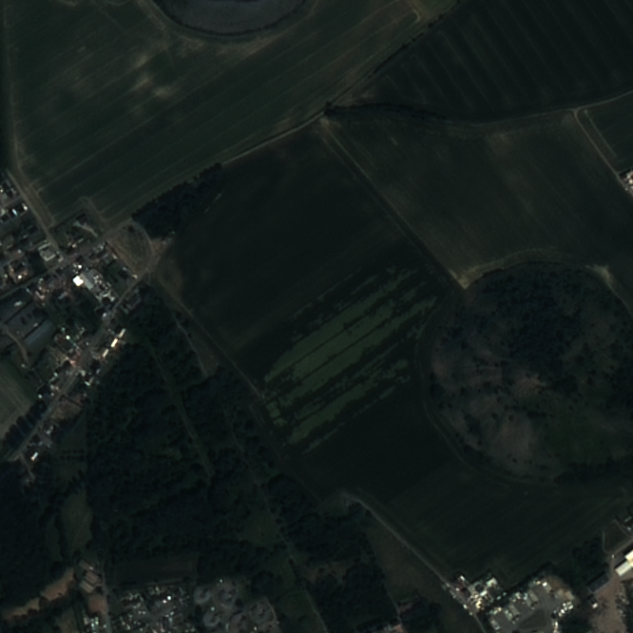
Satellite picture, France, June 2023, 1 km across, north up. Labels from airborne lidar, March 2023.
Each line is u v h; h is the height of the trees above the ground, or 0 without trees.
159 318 7
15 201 0
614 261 0
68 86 0
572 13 0
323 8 0
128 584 6
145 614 0
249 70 0
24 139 0
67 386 0
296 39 0
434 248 0
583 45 0
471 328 0
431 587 0
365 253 0
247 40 0
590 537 0
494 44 0
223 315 0
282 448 0
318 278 0
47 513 13
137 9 0
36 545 8
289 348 0
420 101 0
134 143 0
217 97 0
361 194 0
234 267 0
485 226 0
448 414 0
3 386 0
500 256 0
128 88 0
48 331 0
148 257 0
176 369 9
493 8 0
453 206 0
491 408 0
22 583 24
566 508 0
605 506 0
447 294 0
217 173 12
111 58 0
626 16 0
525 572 0
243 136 0
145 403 26
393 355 0
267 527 0
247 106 0
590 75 0
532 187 0
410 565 0
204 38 0
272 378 0
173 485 17
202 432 18
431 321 0
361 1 0
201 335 0
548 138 0
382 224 0
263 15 0
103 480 32
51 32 0
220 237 0
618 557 0
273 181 0
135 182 0
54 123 0
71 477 0
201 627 14
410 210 0
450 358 0
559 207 0
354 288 0
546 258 0
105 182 0
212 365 0
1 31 0
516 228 0
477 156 0
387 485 0
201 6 0
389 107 10
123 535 18
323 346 0
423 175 0
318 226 0
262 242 0
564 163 0
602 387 0
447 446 0
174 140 0
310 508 10
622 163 0
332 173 0
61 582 0
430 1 0
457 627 0
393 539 0
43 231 0
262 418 0
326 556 12
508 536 0
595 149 0
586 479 12
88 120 0
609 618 0
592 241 0
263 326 0
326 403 0
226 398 17
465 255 0
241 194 0
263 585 14
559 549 0
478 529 0
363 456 0
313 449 0
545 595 0
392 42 0
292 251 0
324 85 0
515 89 0
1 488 23
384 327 0
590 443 0
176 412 12
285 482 16
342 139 0
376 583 10
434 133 0
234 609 0
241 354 0
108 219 0
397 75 0
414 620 13
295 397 0
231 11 0
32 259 14
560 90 0
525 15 0
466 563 0
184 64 0
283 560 0
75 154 0
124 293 0
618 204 0
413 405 0
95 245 0
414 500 0
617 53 0
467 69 0
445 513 0
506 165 0
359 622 0
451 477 0
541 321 13
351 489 0
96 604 0
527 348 12
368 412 0
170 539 9
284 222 0
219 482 19
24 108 0
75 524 0
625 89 0
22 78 0
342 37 0
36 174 0
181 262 0
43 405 16
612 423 0
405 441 0
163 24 0
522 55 0
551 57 0
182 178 0
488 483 0
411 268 0
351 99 0
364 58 0
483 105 0
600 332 0
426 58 0
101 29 0
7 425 0
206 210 0
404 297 0
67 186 0
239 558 12
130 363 13
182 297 0
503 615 0
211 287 0
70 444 0
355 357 0
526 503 0
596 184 0
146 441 12
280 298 0
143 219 12
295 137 0
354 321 0
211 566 11
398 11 0
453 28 0
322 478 0
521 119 0
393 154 0
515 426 0
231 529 10
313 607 0
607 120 0
